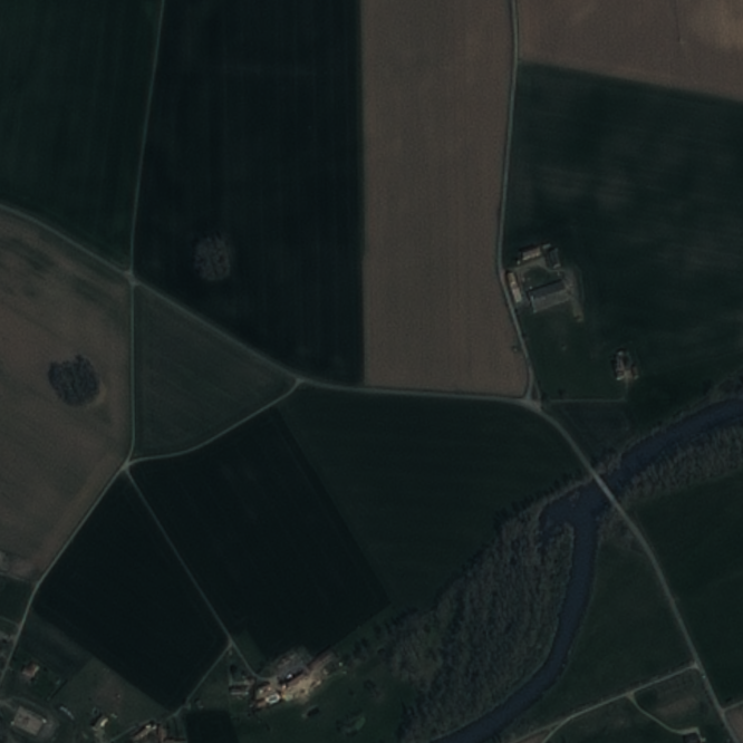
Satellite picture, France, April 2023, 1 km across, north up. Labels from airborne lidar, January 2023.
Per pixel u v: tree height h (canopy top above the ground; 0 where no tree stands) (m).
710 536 0
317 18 0
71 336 0
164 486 0
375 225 0
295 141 0
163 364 0
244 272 0
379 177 0
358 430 0
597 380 0
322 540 0
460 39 0
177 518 0
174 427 0
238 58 0
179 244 0
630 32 0
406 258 0
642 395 0
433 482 0
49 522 0
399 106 0
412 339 0
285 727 0
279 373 0
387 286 0
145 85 0
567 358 0
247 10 0
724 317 0
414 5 0
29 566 0
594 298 0
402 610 0
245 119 0
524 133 0
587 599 0
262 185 0
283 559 0
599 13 0
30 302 0
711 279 0
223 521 0
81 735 0
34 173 0
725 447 24
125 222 0
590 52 0
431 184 0
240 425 0
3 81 0
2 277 0
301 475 0
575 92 0
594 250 0
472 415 0
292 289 0
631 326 0
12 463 0
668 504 0
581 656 0
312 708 0
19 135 0
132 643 0
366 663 20
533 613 19
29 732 0
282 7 0
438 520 0
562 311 0
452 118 0
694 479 16
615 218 0
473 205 0
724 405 0
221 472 0
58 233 0
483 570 26
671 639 0
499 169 0
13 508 0
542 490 0
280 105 0
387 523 0
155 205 0
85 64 0
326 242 0
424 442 0
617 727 0
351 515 0
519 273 0
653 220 0
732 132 0
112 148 0
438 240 0
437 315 0
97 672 0
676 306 0
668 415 0
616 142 0
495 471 0
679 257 0
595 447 0
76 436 0
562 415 0
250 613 0
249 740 0
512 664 27
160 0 0
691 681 0
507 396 0
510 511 0
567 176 0
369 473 0
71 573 0
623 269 0
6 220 0
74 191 0
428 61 0
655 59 0
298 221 0
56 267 0
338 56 0
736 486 0
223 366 0
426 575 0
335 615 0
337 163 0
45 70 0
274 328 0
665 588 0
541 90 0
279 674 0
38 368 0
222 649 0
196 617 0
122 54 0
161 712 0
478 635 27
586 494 0
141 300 0
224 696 0
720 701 0
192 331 0
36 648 0
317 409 0
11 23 0
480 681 28
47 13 0
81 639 0
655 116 0
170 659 0
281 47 0
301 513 0
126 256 0
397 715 0
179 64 0
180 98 0
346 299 0
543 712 0
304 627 0
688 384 0
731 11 0
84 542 0
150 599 0
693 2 0
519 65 0
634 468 0
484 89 0
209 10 0
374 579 0
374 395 0
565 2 0
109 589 0
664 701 0
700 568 0
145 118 0
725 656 0
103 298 0
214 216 0
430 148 0
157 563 0
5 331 0
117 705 0
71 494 0
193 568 0
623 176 0
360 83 0
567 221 0
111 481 0
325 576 0
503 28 0
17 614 0
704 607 0
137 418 0
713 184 0
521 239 0
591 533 0
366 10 0
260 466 0
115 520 0
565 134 0
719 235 0
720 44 0
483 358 0
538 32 0
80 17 0
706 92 0
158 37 0
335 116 0
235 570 0
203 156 0
